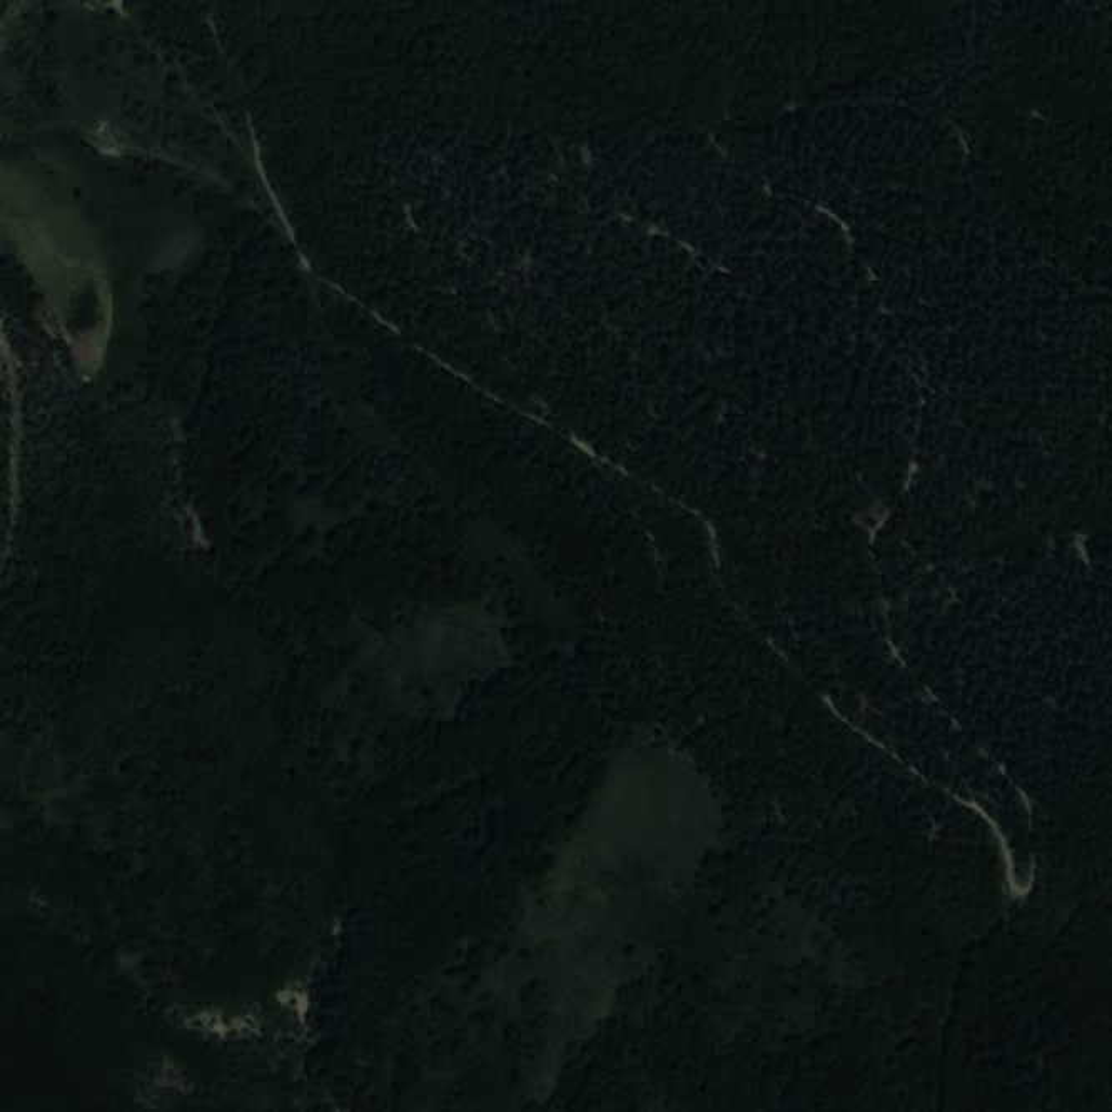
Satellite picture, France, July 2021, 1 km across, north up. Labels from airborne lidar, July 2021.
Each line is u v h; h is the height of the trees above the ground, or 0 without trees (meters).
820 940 10
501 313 11
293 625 16
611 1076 15
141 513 19
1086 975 29
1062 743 27
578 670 17
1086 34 25
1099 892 19
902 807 18
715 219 26
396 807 13
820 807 15
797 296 25
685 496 14
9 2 7
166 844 9
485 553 0
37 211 0
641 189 24
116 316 0
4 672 20
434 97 21
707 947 6
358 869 17
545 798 15
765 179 25
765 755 18
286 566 17
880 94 20
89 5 0
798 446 15
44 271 0
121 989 18
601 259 17
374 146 10
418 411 17
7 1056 30
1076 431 26
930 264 23
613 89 18
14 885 19
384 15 23
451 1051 12
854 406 20
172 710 15
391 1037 12
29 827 13
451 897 16
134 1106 13
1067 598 24
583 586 15
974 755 21
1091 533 20
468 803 13
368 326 21
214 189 7
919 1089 15
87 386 10
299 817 17
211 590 24
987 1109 25
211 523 21
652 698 15
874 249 26
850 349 25
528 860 15
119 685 19
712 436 14
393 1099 7
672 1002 13
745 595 18
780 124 15
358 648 9
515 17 20
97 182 0
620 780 0
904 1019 17
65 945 20
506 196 24
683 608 17
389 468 16
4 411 13
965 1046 27
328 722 12
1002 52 20
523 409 13
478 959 13
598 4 24
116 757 7
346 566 17
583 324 18
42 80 6
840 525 24
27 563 19
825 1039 14
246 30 20
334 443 14
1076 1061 30
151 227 0
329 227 19
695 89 21
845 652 27
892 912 21
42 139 0
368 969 15
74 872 16
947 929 20
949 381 31
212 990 15
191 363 14
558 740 18
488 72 18
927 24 23
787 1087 8
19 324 6
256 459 18
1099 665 29
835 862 18
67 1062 28
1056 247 15
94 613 20
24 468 10
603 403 21
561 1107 27
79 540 21
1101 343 16
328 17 23
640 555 16
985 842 7
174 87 15
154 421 11
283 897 10
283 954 15
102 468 19
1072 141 20
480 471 19
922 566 15
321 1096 8
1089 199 16
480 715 19
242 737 18
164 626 22
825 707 7
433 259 19
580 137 24
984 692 17
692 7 25
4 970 25
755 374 22
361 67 21
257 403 15
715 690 20
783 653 13
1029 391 16
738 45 25
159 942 11
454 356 19
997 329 11
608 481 9
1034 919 14
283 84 20
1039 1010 9
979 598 34
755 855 13
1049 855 17
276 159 15
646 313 23
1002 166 23
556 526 21
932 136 18
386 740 16
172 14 13
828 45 22
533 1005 9
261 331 15
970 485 32
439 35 18
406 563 12
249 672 11
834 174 23
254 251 14
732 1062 10
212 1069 13
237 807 11
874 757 14
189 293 13
